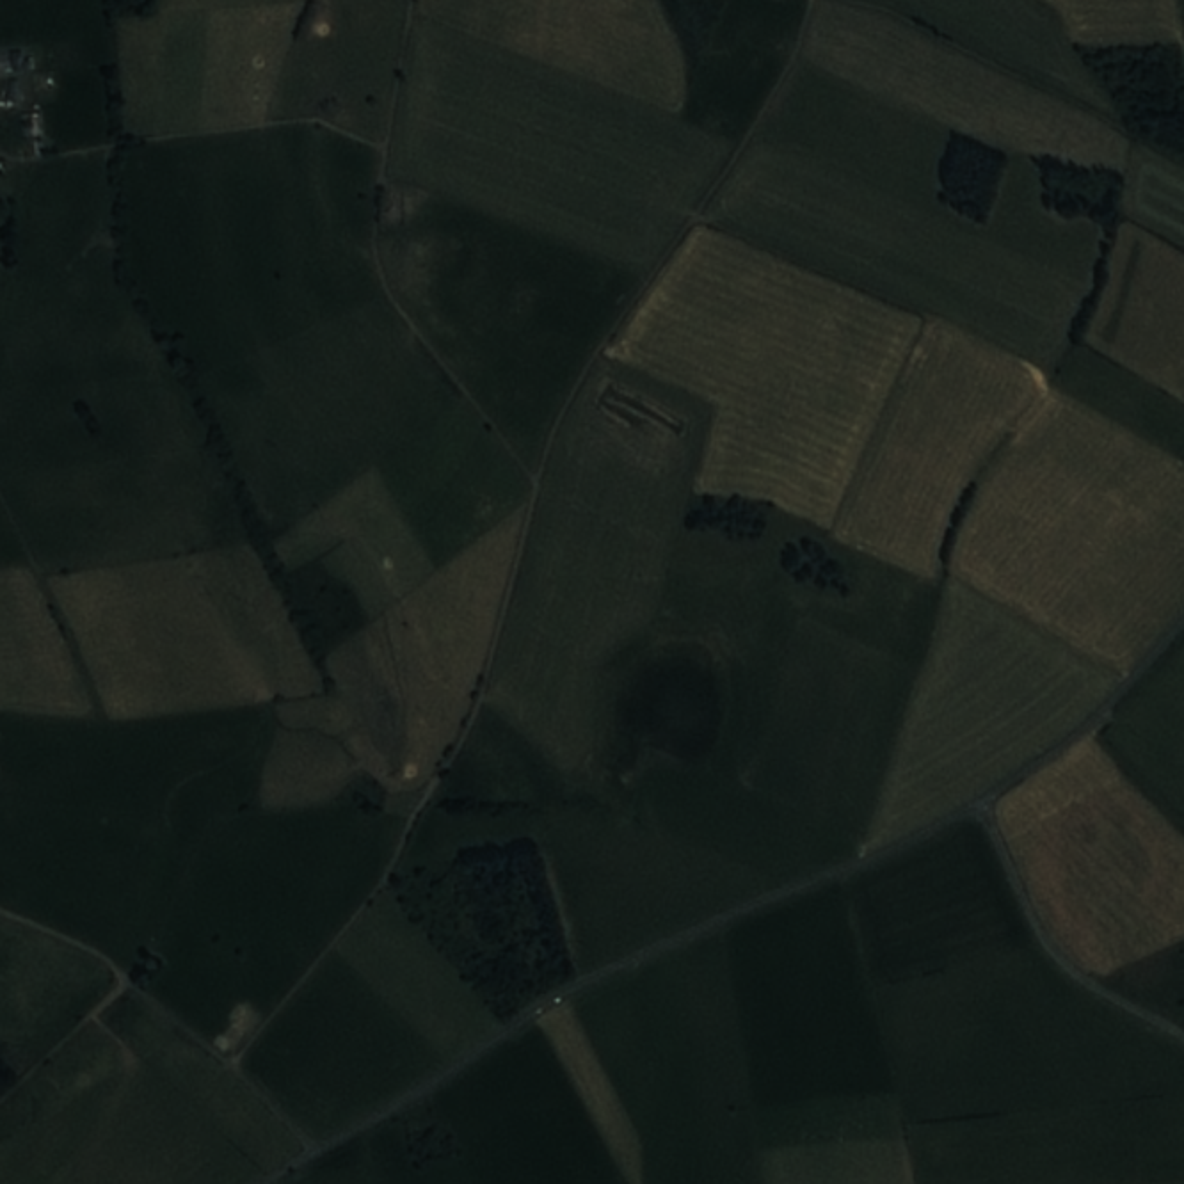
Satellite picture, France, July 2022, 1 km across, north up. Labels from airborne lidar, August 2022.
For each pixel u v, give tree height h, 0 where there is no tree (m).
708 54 0
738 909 0
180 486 0
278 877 0
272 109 0
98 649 0
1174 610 0
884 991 0
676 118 0
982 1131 0
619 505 0
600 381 0
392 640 0
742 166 0
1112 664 0
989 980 0
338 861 0
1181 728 0
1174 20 0
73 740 0
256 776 0
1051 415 0
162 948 0
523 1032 0
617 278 0
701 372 0
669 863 0
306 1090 0
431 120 0
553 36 0
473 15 0
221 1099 0
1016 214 0
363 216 0
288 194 0
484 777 0
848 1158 0
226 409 0
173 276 0
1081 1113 0
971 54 0
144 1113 0
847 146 0
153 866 0
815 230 0
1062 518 0
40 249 0
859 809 0
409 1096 0
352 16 0
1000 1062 0
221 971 0
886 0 0
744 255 0
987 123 0
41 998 0
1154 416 0
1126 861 0
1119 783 0
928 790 0
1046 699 0
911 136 0
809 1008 0
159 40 0
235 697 0
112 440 0
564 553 0
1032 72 0
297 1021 0
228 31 0
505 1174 0
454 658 0
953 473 0
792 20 0
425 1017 0
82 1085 0
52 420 0
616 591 0
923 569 0
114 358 0
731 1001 0
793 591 0
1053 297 0
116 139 8
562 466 0
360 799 7
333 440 0
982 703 0
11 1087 9
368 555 0
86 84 0
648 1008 0
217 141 0
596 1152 0
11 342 0
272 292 0
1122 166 0
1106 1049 0
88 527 0
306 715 0
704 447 0
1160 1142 0
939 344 0
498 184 0
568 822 0
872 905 0
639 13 0
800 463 0
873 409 0
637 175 0
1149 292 0
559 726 0
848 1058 0
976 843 0
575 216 0
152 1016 0
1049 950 0
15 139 0
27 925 0
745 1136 0
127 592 0
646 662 0
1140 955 0
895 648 0
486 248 0
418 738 0
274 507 0
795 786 0
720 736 0
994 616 0
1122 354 0
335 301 0
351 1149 0
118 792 0
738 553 0
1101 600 0
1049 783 0
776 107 0
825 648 0
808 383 0
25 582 0
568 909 0
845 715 0
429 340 0
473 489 0
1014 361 0
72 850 0
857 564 0
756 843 0
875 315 0
